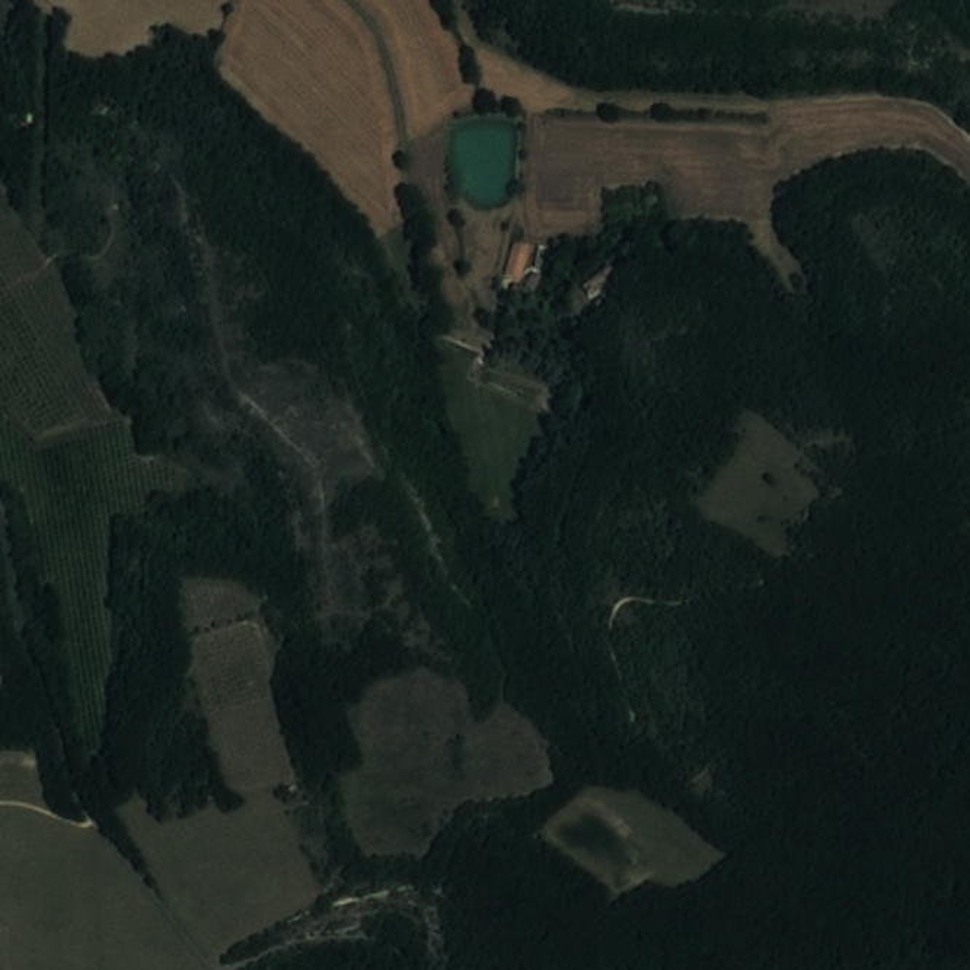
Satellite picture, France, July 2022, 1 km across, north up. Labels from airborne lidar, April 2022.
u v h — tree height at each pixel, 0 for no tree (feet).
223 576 19
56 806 44
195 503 58
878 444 38
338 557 0
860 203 37
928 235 22
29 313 0
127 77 36
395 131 0
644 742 21
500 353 67
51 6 0
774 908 52
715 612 37
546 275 26
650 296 33
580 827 0
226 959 33
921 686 45
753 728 42
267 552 37
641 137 0
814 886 56
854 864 52
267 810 0
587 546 26
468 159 0
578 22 26
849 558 35
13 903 0
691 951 47
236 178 23
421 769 0
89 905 0
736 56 23
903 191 44
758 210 0
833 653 45
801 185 49
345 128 0
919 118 0
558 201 0
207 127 37
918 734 53
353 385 22
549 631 41
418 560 29
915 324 32
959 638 37
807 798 43
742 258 56
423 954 32
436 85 0
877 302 28
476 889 45
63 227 28
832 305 55
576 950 52
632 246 71
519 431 0
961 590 53
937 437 36
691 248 80
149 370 31
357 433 0
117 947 0
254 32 0
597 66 23
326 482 0
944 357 46
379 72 0
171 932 0
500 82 0
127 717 51
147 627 29
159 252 0
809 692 46
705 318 20
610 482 35
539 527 47
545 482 56
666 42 32
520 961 46
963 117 42
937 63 22
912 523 36
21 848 0
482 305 0
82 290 30
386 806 0
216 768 20
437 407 64
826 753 41
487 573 47
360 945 48
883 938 59
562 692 42
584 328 75
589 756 51
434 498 30
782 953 58
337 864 22
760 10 29
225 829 0
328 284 31
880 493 40
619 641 22
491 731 0
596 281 0
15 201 56
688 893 46
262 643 0
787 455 0
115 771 63
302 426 0
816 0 0
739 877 54
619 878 0
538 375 33
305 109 0
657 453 39
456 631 31
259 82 0
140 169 24
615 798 0
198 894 0
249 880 0
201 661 0
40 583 28
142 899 0
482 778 0
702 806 37
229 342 0
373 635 40
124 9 0
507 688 25
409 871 31
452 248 0
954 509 37
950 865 53
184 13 0
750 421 0
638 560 18
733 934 46
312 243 25
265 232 31
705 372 28
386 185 0
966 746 55
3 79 35
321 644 31
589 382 76
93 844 0
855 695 46
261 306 18
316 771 31
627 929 39
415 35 0
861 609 44
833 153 0
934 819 57
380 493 19
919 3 31
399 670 27
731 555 25
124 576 34
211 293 0
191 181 25
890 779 48
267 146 39
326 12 0
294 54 0
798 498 0
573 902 49
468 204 0
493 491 0
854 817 47
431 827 0
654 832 0
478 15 65
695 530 29
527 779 0
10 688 37
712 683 33
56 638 47
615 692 32
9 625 31
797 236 53
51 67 31
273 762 0
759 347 28
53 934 0
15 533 50
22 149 45
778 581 38
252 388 0
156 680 48
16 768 0
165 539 34
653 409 27
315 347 26
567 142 0
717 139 0
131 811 0
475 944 35
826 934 57
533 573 50
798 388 43
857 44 31
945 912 49
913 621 56
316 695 45
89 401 0
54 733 38
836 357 48
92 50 0
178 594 23
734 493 0
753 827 40
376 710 0
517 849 42
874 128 0
